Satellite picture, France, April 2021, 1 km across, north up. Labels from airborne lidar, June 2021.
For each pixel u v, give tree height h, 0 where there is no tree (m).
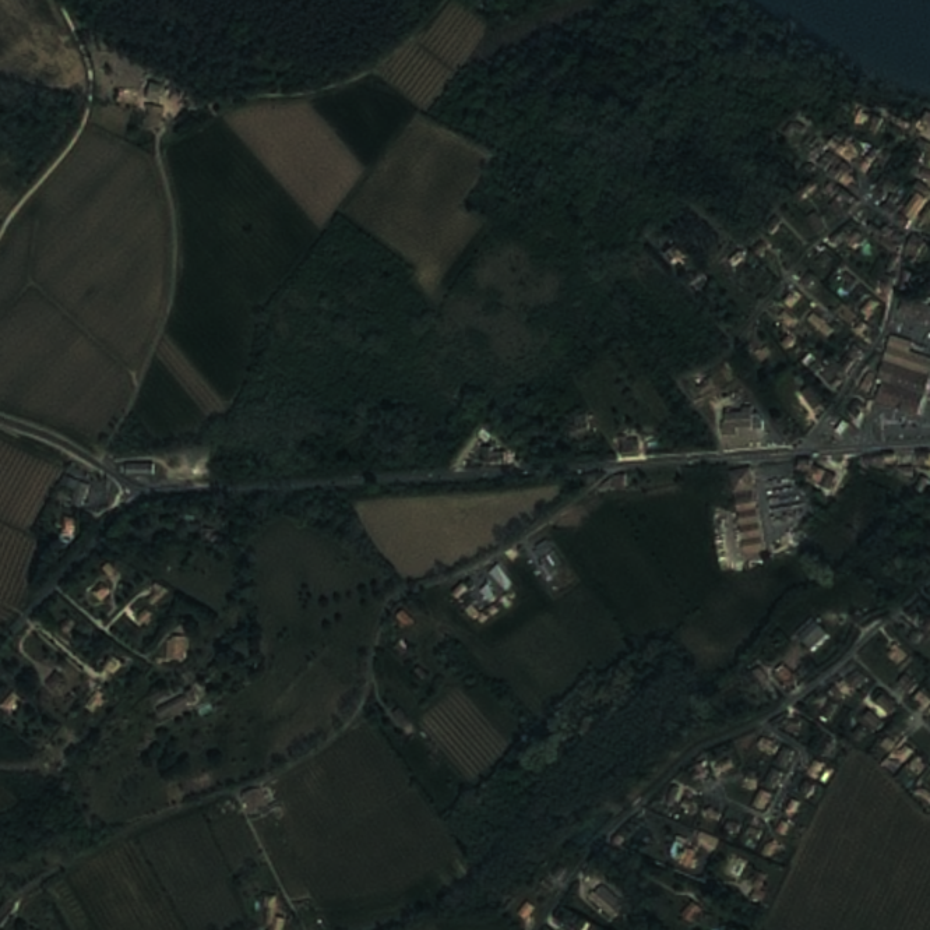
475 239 0
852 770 0
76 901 0
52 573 10
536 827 22
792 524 0
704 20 19
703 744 0
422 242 0
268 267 0
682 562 0
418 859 0
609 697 14
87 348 0
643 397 0
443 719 0
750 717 10
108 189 0
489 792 10
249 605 12
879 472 6
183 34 17
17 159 15
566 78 18
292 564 0
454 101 7
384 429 23
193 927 0
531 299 0
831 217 7
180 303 0
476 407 28
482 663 0
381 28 20
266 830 0
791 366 5
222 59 9
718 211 15
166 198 0
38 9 0
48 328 0
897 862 0
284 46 20
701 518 0
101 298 0
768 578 0
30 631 0
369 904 0
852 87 21
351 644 0
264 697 0
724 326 12
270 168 0
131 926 0
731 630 0
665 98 15
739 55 19
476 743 0
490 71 8
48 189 0
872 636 0
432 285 0
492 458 0
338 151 0
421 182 0
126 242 0
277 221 0
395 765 0
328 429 23
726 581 0
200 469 0
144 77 0
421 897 0
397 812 0
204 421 0
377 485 21
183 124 8
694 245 12
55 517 6
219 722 0
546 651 0
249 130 0
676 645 14
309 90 16
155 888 0
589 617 0
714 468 6
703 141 17
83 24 11
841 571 14
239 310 0
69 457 0
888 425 0
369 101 0
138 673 9
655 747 24
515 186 11
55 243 0
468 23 0
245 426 17
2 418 0
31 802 10
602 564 0
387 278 12
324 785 0
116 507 0
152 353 0
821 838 0
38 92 15
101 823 14
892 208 0
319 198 0
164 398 0
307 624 0
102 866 0
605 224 12
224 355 0
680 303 6
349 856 0
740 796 0
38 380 0
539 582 0
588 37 13
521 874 21
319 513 21
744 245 15
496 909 18
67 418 0
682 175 16
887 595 10
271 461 18
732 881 0
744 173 14
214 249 0
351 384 7
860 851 0
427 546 0
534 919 0
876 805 0
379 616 0
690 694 28
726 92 17
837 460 0
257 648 11
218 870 0
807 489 10
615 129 19
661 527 0
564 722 24
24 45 0
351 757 0
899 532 11
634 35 19
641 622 0
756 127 10
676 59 10
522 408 20
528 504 0
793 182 10
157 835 0
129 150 0
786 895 0
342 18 19
